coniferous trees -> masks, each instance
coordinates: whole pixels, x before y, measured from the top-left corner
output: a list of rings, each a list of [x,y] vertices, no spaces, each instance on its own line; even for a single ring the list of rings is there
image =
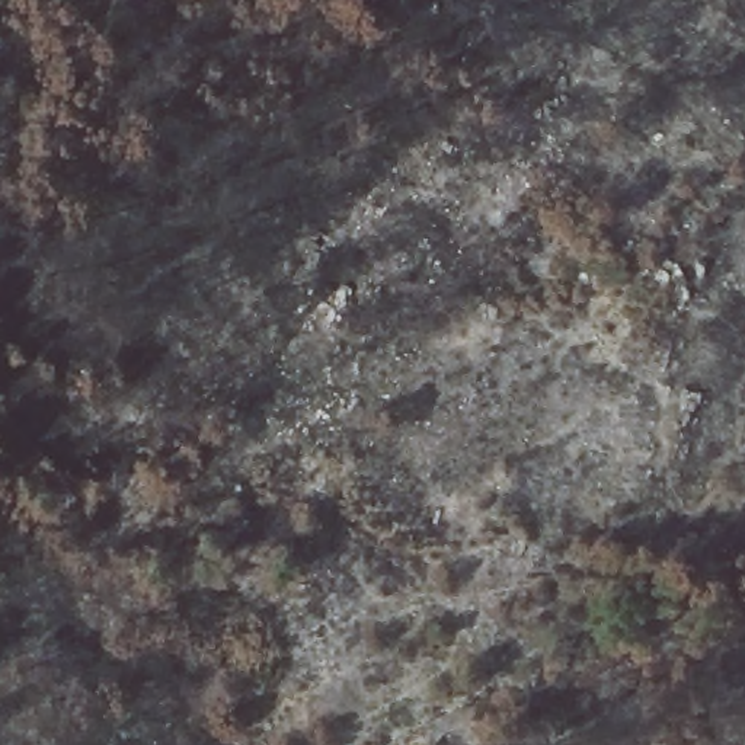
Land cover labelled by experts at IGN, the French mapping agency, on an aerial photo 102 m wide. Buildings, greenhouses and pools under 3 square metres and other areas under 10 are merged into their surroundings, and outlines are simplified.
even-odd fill
[[[93,227],[81,192],[84,175],[111,166],[116,178],[125,178],[128,169],[146,175],[166,148],[166,140],[160,140],[151,131],[151,119],[143,113],[119,116],[116,134],[81,134],[84,119],[73,119],[67,113],[67,102],[76,102],[81,108],[84,93],[73,87],[70,58],[64,52],[61,38],[55,32],[44,32],[38,0],[0,0],[0,259],[15,256],[17,250],[52,256],[67,242],[87,253]]]
[[[611,541],[617,544],[617,553],[608,559],[605,573],[626,576],[611,597],[611,611],[620,614],[617,626],[611,626],[611,634],[623,643],[637,643],[652,655],[652,681],[643,684],[646,704],[652,710],[649,728],[655,733],[649,745],[745,745],[745,535],[733,524],[728,527],[716,521],[713,527],[701,527],[696,518],[678,512],[666,515],[664,521],[643,518],[614,530]]]
[[[38,480],[38,471],[52,471],[52,463],[47,460],[47,451],[35,451],[23,463],[9,463],[3,454],[0,434],[0,550],[6,550],[9,533],[17,527],[12,521],[12,509],[17,506],[17,480],[26,480],[32,498],[47,492],[47,486]]]
[[[361,9],[364,0],[253,0],[247,6],[236,3],[233,29],[262,35],[282,32],[288,20],[294,20],[300,26],[300,41],[317,61],[329,61],[332,55],[349,55],[352,44],[370,47],[381,41],[381,29],[375,29],[373,15]]]

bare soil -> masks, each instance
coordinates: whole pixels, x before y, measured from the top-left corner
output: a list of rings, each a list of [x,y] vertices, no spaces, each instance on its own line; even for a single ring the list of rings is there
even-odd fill
[[[9,463],[23,463],[35,451],[47,451],[47,460],[52,463],[52,471],[38,471],[38,480],[47,486],[47,492],[32,498],[26,480],[17,480],[17,506],[12,509],[12,521],[17,527],[9,533],[6,550],[0,550],[0,745],[649,745],[655,733],[649,728],[652,710],[646,704],[643,684],[652,681],[652,655],[637,643],[623,643],[611,634],[611,626],[617,626],[620,614],[611,611],[611,597],[626,576],[605,573],[608,559],[617,553],[617,544],[611,541],[614,530],[643,518],[664,521],[666,515],[678,512],[696,518],[701,527],[713,527],[716,521],[728,527],[733,524],[745,535],[745,0],[364,0],[361,9],[373,15],[375,29],[381,29],[381,41],[370,47],[352,44],[349,55],[332,55],[329,61],[317,61],[300,41],[300,26],[294,20],[288,20],[282,32],[262,35],[233,29],[236,3],[247,6],[253,0],[38,0],[44,32],[55,32],[61,38],[64,52],[70,58],[73,87],[84,93],[81,108],[76,102],[67,102],[67,113],[73,119],[84,119],[81,134],[116,134],[119,116],[143,113],[151,119],[151,131],[160,140],[166,140],[166,148],[146,175],[128,169],[125,178],[116,178],[111,166],[84,175],[81,192],[93,227],[87,253],[67,242],[52,256],[17,250],[15,256],[0,259],[0,434],[3,454]]]

